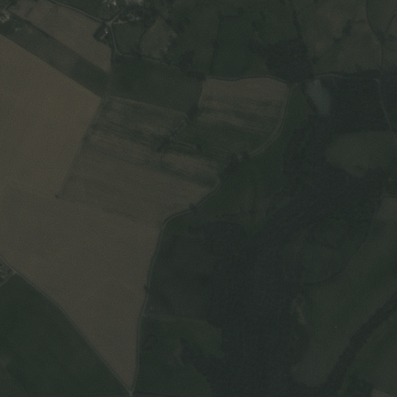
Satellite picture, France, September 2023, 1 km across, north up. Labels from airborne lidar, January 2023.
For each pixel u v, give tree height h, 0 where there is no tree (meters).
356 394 18
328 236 0
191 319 0
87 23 0
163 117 0
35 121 0
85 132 0
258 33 0
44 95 0
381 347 0
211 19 0
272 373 15
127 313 0
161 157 0
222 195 0
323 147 17
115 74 0
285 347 13
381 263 0
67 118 0
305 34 0
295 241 0
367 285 0
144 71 0
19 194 0
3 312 0
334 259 0
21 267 0
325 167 13
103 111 0
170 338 0
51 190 0
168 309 0
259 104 0
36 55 0
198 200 0
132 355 0
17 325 0
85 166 0
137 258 0
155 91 0
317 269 0
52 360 0
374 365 0
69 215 0
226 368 22
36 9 0
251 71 0
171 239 0
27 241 0
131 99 0
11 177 0
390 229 0
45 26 0
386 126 8
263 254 19
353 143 0
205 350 0
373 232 0
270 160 0
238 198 0
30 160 0
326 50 0
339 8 0
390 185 0
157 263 0
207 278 0
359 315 0
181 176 0
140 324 0
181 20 0
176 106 0
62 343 0
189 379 0
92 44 0
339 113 9
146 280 0
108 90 0
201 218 0
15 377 0
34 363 0
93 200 0
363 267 0
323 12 0
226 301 25
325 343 0
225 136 0
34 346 0
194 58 0
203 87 0
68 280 0
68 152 0
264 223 0
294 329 0
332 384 14
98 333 0
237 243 18
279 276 14
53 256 0
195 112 15
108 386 0
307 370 0
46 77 0
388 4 0
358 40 0
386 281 0
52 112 0
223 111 0
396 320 0
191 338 0
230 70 0
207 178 0
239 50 0
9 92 0
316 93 0
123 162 0
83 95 0
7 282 0
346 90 11
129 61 0
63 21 0
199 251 0
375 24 0
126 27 0
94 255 0
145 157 0
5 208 0
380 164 0
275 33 0
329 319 0
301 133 19
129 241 0
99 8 0
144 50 0
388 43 0
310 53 0
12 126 0
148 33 0
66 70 0
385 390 0
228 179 0
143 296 0
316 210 20
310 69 17
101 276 0
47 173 0
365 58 0
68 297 0
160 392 0
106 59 0
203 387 0
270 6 0
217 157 0
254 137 0
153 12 14
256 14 0
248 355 23
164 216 0
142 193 0
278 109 0
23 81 0
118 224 0
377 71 8
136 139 0
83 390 0
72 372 0
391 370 0
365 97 7
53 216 0
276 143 0
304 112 0
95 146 0
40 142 0
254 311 7
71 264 0
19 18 0
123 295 0
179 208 0
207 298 0
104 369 0
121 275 0
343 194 12
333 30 0
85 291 0
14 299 0
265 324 19
